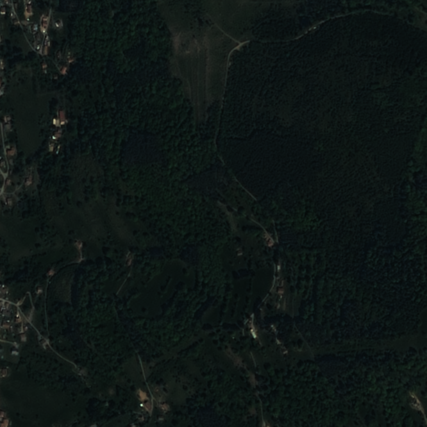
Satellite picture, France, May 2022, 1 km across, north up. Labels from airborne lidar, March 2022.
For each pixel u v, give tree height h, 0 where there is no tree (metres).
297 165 13
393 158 9
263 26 9
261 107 7
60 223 0
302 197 18
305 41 7
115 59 19
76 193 0
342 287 7
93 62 21
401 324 16
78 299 19
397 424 14
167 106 13
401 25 10
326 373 20
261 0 0
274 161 16
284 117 0
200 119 0
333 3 23
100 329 18
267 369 17
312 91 6
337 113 6
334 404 8
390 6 18
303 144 12
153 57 21
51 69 9
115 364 16
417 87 7
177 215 9
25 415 0
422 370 13
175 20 0
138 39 7
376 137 10
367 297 9
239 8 0
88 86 18
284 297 0
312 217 16
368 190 8
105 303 17
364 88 8
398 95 9
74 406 0
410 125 8
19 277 20
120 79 18
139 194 14
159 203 14
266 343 0
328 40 6
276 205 22
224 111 8
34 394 0
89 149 14
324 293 14
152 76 27
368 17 8
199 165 18
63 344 0
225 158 16
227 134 10
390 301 6
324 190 6
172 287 0
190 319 10
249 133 10
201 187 19
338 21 7
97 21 14
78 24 19
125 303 14
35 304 0
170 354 0
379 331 21
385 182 8
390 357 18
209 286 20
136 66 20
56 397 0
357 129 9
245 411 8
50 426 0
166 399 0
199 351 8
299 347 13
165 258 13
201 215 14
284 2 0
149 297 0
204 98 0
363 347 6
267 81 7
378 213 10
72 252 0
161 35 8
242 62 6
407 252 23
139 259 15
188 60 0
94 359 15
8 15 7
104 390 0
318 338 24
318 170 12
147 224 13
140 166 19
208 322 0
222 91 0
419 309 12
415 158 10
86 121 13
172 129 15
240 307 0
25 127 0
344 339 21
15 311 0
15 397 0
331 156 6
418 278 27
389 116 7
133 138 30
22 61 20
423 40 11
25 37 0
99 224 0
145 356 21
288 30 7
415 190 28
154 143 30
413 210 26
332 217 7
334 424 17
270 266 16
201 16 7
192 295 15
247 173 15
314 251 18
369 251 22
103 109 7
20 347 0
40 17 0
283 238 21
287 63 10
